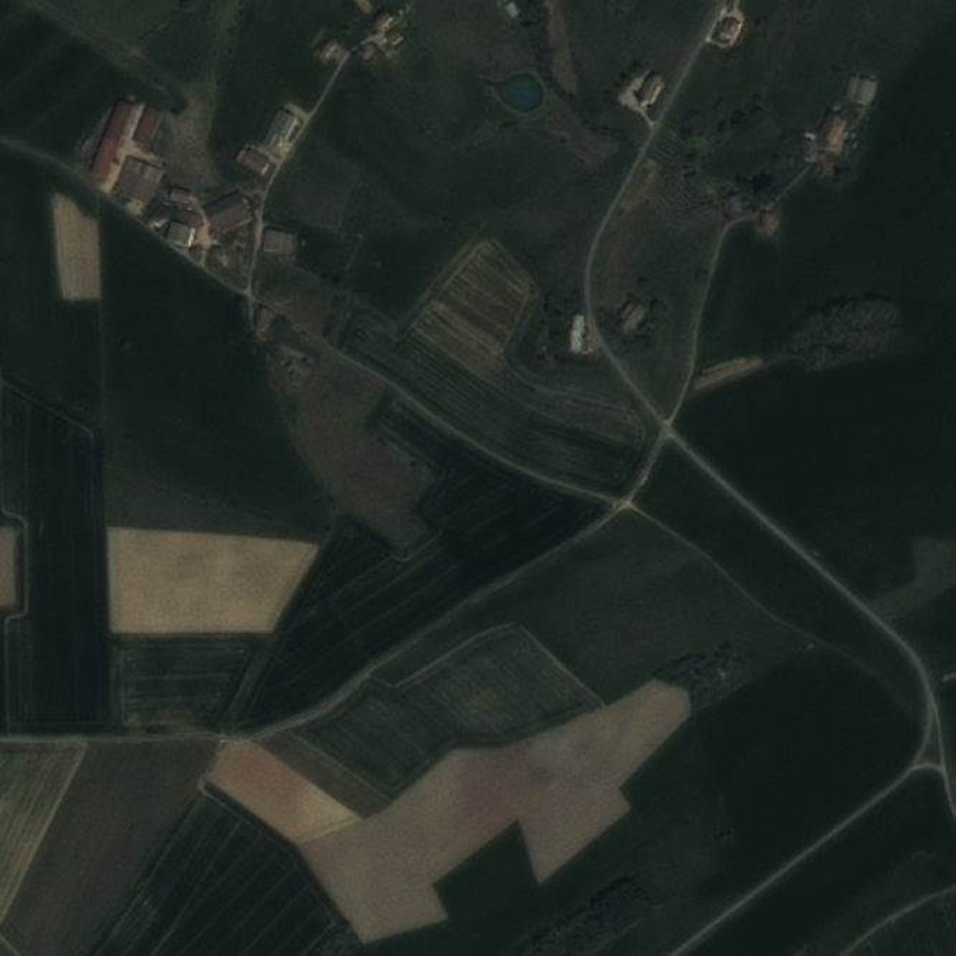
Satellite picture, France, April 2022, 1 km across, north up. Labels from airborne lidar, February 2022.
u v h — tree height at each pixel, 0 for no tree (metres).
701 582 0
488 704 0
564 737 0
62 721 0
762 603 0
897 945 0
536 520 0
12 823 0
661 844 0
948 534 0
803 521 0
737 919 0
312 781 0
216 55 0
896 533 0
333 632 0
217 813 0
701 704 11
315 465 0
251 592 0
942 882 0
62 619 0
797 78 0
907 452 0
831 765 0
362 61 5
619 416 0
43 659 0
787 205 0
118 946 0
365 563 0
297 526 0
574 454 0
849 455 0
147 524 0
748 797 0
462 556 0
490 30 0
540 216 0
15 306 0
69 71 0
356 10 0
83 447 0
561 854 0
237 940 0
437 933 0
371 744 0
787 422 0
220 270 0
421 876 0
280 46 0
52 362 0
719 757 0
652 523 0
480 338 0
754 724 0
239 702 0
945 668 0
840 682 0
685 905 0
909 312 0
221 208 0
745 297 0
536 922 0
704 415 0
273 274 0
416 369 0
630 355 0
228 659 0
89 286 0
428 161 0
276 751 0
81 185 0
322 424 0
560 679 0
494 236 0
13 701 0
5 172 0
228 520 0
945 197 0
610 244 0
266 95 0
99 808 0
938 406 0
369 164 0
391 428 0
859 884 0
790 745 0
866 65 0
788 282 0
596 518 0
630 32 0
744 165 0
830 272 0
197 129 0
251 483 0
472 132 0
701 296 0
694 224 0
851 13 0
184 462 0
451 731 0
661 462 0
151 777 0
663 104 0
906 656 0
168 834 0
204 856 0
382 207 0
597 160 0
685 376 0
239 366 0
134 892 0
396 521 0
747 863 0
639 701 0
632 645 0
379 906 0
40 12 0
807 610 0
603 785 0
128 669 0
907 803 0
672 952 0
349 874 0
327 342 11
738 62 13
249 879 0
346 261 0
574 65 0
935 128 0
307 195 0
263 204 0
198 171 0
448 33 0
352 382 0
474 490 0
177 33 0
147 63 0
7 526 0
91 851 0
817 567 0
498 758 0
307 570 0
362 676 0
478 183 0
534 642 0
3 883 0
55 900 0
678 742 0
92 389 0
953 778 0
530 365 0
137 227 0
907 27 0
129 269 0
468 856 0
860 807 0
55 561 0
